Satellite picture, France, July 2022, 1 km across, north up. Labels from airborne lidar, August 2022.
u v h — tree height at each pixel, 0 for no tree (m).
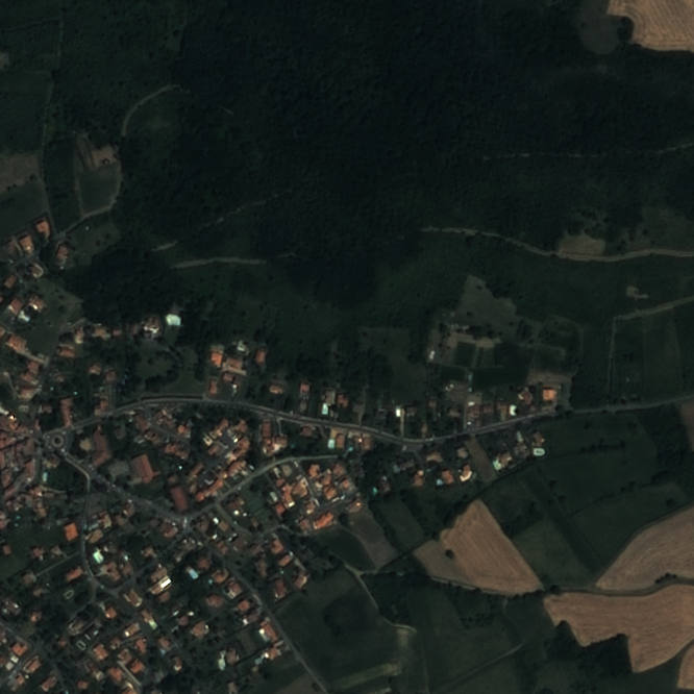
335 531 0
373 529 0
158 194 10
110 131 10
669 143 8
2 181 0
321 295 10
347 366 8
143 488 0
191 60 15
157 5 14
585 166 9
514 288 7
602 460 0
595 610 0
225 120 7
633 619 0
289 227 9
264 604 0
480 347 0
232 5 16
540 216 11
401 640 0
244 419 7
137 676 0
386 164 17
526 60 14
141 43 7
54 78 13
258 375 6
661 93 6
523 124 9
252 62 14
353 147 16
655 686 0
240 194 7
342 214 11
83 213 0
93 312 20
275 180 10
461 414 8
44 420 10
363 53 9
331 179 14
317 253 10
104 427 0
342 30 6
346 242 8
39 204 0
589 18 0
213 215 17
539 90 7
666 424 6
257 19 13
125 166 11
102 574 0
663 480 11
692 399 0
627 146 11
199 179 20
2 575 0
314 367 17
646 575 0
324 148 13
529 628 0
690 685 0
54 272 10
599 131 16
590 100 13
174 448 0
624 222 10
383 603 6
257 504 0
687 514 0
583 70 6
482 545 0
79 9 6
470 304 0
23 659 0
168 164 11
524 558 0
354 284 16
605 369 7
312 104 18
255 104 11
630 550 0
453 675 0
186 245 8
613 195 8
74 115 10
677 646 0
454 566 0
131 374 10
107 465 0
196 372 7
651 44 0
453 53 15
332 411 10
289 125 19
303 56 18
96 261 9
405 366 0
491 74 17
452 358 0
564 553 0
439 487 8
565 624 10
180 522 0
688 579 0
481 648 0
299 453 10
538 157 7
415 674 0
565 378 0
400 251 12
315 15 9
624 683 0
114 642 0
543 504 0
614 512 0
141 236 6
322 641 0
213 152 17
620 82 6
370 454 13
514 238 11
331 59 15
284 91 14
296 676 0
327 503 0
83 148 0
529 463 10
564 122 12
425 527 7
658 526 0
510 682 0
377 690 0
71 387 7
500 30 6
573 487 0
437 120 21
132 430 10
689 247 0
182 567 7
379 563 0
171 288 6
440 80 21
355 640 0
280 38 11
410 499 13
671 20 0
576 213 7
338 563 14
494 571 0
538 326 0
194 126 12
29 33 7
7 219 0
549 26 9
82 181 0
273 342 9
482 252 6
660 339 0
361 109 10
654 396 0
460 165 14
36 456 0
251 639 0
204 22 9
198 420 13
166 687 14
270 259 7
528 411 0
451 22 15
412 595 0
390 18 15
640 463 0
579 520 0
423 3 9
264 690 0
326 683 0
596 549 0
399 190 13
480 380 0
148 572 12
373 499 8
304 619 0
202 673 9
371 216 12
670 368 0
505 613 0
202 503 7
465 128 15
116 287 16
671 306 0
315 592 0
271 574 7
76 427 0
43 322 0
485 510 0
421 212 8
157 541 0
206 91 13
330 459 0
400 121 13
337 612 0
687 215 9
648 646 0
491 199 7
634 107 13
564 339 0
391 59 15
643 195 6
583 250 0
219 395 0
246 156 9
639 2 0
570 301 0
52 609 14
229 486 0
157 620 0
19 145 5
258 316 0
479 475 0
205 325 14
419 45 16
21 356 7
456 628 0
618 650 8
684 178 14
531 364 0
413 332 7
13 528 7
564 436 0
